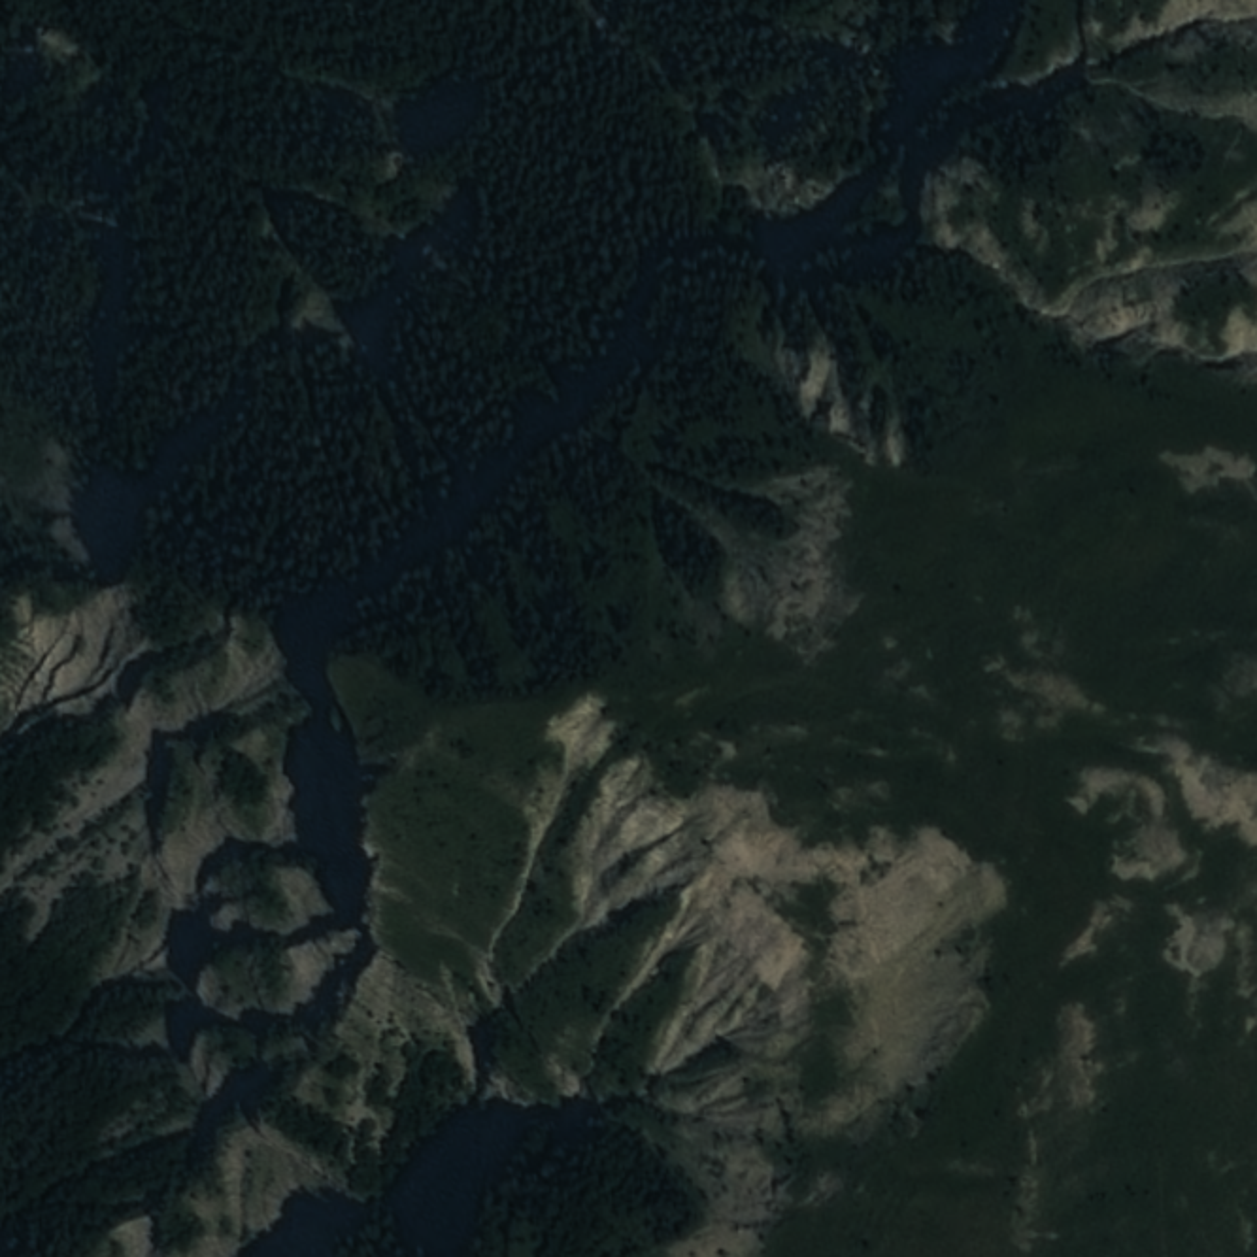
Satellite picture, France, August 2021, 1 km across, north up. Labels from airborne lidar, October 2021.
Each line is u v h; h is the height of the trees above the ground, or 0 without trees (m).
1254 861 0
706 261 42
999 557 0
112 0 21
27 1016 20
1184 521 0
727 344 12
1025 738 0
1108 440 0
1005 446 0
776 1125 0
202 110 24
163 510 10
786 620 0
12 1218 19
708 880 0
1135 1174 0
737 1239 0
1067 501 0
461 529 7
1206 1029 0
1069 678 0
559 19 22
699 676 0
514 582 15
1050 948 0
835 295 15
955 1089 0
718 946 0
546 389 11
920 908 0
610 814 0
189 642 7
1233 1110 0
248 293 14
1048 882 0
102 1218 11
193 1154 8
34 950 11
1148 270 0
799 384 0
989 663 0
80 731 13
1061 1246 0
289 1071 10
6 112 11
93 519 0
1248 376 0
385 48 12
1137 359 0
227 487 17
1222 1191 0
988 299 13
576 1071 11
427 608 8
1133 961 0
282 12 22
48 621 0
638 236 28
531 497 11
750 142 9
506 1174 35
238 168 16
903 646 0
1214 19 0
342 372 8
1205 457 0
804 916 0
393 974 0
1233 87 0
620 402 12
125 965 0
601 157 22
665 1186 11
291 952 0
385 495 24
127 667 0
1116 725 0
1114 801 0
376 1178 14
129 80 15
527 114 14
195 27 10
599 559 7
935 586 0
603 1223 11
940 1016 0
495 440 19
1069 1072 0
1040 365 0
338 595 22
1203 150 5
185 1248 17
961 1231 0
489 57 14
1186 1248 0
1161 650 0
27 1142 11
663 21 17
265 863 6
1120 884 0
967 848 0
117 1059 14
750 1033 0
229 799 6
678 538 10
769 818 0
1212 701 0
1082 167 0
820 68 11
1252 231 0
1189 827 0
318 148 18
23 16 13
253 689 0
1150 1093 0
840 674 0
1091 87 13
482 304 14
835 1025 0
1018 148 15
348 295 15
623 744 7
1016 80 0
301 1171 0
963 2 7
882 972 0
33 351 9
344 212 17
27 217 14
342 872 0
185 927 0
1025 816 0
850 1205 0
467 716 0
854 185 0
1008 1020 0
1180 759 0
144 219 20
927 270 8
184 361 18
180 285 25
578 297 23
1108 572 0
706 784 0
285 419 13
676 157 23
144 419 23
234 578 27
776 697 0
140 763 0
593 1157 19
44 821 8
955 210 0
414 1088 14
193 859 0
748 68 23
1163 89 0
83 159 15
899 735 0
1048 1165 0
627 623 12
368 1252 32
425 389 28
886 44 18
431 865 0
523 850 9
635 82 16
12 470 0
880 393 9
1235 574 0
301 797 0
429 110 0
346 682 0
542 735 0
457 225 8
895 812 0
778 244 0
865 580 0
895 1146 0
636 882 0
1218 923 0
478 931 0
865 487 0
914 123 15
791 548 0
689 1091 0
